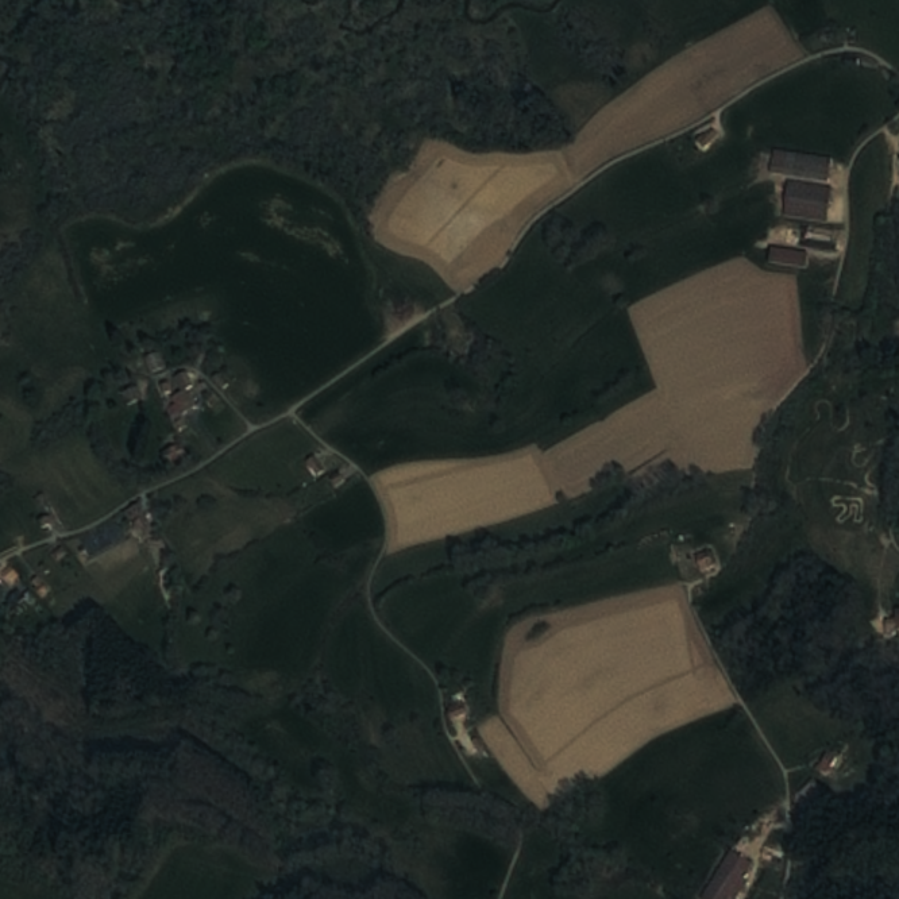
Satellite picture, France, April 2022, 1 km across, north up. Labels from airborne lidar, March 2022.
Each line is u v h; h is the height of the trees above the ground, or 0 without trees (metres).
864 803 20
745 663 14
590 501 0
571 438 0
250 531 0
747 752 0
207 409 0
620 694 0
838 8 0
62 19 20
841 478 0
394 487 0
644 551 0
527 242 0
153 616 0
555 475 0
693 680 0
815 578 29
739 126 0
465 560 22
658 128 0
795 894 11
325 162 12
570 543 10
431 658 0
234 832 31
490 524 0
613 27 0
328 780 24
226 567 12
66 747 29
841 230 0
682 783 0
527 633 0
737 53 0
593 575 0
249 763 22
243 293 0
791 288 0
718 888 0
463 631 0
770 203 0
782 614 8
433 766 0
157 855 14
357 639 0
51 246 0
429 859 0
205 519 0
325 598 0
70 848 20
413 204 0
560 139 6
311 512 0
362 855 30
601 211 0
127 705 28
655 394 0
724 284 0
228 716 19
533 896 0
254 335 0
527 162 0
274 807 13
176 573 13
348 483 0
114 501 0
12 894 0
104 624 29
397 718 0
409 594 0
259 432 0
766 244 0
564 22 7
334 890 27
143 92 6
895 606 0
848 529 0
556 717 0
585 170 0
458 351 0
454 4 9
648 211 0
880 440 0
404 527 0
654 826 0
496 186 0
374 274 0
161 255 0
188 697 29
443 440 0
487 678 0
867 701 25
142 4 0
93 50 13
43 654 22
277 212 0
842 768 0
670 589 0
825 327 10
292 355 0
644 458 0
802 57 0
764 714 0
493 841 21
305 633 0
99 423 16
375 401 0
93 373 0
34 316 0
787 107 0
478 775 0
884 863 13
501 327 0
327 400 0
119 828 24
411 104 7
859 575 0
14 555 0
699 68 0
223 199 0
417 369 0
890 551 0
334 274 0
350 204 7
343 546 0
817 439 0
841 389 0
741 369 0
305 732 0
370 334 0
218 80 7
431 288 0
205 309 0
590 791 16
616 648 0
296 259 0
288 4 0
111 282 0
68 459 0
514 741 0
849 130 0
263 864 21
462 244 0
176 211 0
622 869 12
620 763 0
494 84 16
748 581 0
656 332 0
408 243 0
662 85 0
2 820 11
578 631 0
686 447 0
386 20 0
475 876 0
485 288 7
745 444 0
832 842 24
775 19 0
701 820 0
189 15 20
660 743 0
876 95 0
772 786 0
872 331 0
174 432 6
